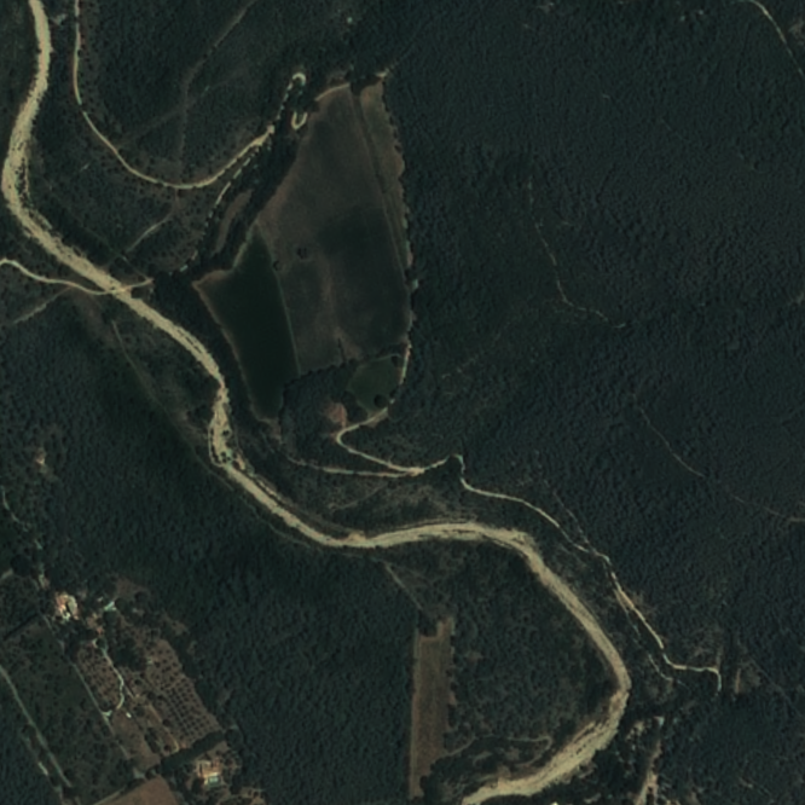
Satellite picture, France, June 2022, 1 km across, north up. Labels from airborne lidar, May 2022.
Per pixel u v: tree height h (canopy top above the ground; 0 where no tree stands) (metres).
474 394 9
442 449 11
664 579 13
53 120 7
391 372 0
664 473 6
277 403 0
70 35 7
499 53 14
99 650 9
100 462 13
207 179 0
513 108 16
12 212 13
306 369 0
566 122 14
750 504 15
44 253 15
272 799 20
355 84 8
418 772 0
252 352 0
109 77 7
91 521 17
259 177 7
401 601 11
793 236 17
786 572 16
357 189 0
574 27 19
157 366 8
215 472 9
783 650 6
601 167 13
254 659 20
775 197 14
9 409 12
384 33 12
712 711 12
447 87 19
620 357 17
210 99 8
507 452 14
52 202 11
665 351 17
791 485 15
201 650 9
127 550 14
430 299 9
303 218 0
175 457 8
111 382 10
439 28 16
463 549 6
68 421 8
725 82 15
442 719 0
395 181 0
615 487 8
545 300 7
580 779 6
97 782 7
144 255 10
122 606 12
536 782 0
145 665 7
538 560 0
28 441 14
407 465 11
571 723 9
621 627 6
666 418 7
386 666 14
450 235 17
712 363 22
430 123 16
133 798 0
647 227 18
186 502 8
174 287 11
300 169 0
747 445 11
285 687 15
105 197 7
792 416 14
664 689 7
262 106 6
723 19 14
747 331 11
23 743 13
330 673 14
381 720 17
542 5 16
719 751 15
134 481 14
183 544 19
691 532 13
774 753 11
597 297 6
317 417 10
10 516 15
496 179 9
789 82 15
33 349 8
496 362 9
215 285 0
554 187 15
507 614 15
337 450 13
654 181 17
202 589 7
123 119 13
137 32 16
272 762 17
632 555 12
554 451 14
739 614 17
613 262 15
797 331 15
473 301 11
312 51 12
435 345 7
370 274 0
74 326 13
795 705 15
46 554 9
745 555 17
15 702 9
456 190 8
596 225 11
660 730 11
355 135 0
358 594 15
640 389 19
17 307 10
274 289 0
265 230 0
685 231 14
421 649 0
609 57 18
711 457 12
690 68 15
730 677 7
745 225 15
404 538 0
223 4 8
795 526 7
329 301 0
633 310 15
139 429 6
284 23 8
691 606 13
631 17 15
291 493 11
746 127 16
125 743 7
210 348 7
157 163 16
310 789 21
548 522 12
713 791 12
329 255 0
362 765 17
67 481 13
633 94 12
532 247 7
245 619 13
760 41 14
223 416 0
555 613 6
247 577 23
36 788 17
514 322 6
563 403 6
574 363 7
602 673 11
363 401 0
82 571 9
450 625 0
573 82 17
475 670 16
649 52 16
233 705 18
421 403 9
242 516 9
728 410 15
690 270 17
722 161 14
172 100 7
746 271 14
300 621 22
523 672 15
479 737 5
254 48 8
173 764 14
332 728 15
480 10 17
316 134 0
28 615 9
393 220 0
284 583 9
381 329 0
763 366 14
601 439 13
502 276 10
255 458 7
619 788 10
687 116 14
